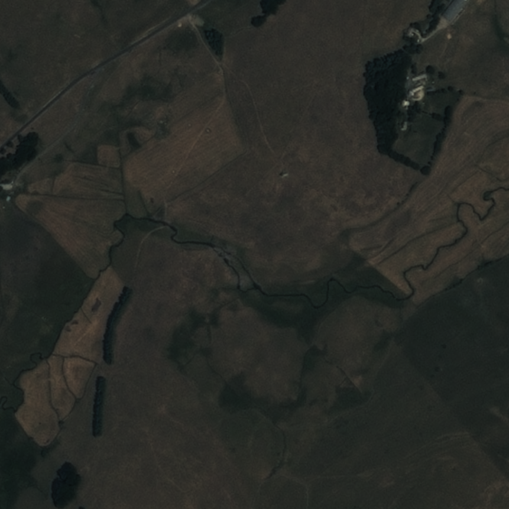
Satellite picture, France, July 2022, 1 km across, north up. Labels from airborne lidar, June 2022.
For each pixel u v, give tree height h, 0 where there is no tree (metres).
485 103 0
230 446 0
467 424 0
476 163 0
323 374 0
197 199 0
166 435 0
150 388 0
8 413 0
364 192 0
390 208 0
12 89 0
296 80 0
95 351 0
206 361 0
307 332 0
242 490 0
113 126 0
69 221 0
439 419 0
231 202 0
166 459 0
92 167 0
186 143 0
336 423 0
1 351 0
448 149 0
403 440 0
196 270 0
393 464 0
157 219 0
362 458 0
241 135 0
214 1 0
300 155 0
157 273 0
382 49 0
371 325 0
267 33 0
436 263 0
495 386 0
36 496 0
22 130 0
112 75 0
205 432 0
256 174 0
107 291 0
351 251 0
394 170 0
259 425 0
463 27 0
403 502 0
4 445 0
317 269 0
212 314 0
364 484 0
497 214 0
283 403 0
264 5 17
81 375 0
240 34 0
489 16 0
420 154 0
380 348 0
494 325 0
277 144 0
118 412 0
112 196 0
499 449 0
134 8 0
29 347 0
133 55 0
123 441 0
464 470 0
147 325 0
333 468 0
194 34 0
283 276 0
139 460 0
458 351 0
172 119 0
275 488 0
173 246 0
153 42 0
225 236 0
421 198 0
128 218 0
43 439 0
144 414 0
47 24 0
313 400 0
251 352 0
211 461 0
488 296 0
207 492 0
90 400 0
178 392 0
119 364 0
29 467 0
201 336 0
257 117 0
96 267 0
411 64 14
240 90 0
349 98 0
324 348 0
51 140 0
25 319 0
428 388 0
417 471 0
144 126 0
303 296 0
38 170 0
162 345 0
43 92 0
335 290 0
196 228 0
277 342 0
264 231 0
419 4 0
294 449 0
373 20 0
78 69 0
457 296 0
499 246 0
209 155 0
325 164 0
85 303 0
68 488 25
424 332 0
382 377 0
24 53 0
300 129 0
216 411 0
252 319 0
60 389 0
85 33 0
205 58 0
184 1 0
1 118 0
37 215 0
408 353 0
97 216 0
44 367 0
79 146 0
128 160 0
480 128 0
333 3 0
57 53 0
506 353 0
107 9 0
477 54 0
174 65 0
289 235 0
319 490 0
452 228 0
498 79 0
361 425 0
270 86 0
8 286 0
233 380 0
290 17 0
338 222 0
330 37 0
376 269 0
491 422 0
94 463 0
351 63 0
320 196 0
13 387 0
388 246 0
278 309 0
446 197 0
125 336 0
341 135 0
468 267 0
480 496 0
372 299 0
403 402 0
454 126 0
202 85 0
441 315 0
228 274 0
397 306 0
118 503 0
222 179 0
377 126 15
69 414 0
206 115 0
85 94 0
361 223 0
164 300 0
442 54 0
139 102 0
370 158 0
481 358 0
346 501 0
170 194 0
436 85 0
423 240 0
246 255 0
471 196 0
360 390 0
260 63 0
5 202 0
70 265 0
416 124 0
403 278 0
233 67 0
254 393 0
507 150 0
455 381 0
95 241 0
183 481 0
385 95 25
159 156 0
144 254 0
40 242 0
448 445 0
